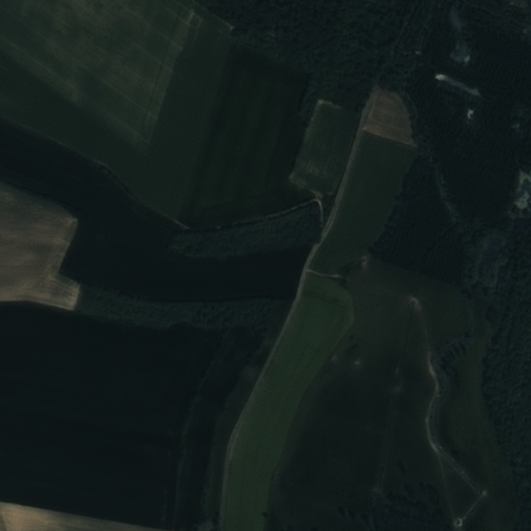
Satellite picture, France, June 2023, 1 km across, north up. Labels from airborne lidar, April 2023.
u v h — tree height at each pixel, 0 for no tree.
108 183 0
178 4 0
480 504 0
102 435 0
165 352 0
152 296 0
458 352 24
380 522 28
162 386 0
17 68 0
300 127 0
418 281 0
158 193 0
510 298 10
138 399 0
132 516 0
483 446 0
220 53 0
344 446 0
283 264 0
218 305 16
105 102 0
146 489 0
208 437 0
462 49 0
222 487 0
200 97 0
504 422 15
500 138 16
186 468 0
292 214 8
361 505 0
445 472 0
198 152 0
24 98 0
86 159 0
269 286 0
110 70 0
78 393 0
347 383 0
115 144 0
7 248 0
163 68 0
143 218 0
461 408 0
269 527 0
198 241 12
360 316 0
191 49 0
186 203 0
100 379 0
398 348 0
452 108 8
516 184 7
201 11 0
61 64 0
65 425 0
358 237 0
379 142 0
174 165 0
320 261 0
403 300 0
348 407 0
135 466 0
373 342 0
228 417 0
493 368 12
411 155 0
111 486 0
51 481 0
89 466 0
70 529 0
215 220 0
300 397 0
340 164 0
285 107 0
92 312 0
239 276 0
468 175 21
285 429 0
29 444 0
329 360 0
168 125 0
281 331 0
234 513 0
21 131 0
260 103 0
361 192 0
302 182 0
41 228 0
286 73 0
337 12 20
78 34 0
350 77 17
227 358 0
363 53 17
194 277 0
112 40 0
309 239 16
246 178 0
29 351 0
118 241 0
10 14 0
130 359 0
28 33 0
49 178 0
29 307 0
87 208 0
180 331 0
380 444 0
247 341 0
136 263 0
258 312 12
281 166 0
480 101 18
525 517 16
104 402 0
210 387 0
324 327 0
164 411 0
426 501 0
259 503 0
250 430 0
